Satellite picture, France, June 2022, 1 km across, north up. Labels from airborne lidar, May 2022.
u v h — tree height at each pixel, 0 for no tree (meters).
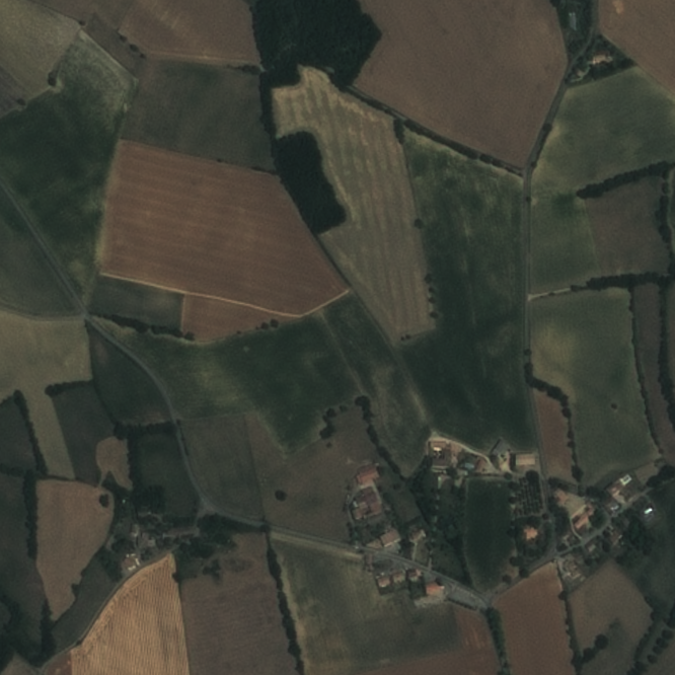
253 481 0
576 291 13
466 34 0
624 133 0
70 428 0
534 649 0
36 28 0
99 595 0
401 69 0
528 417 0
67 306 0
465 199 0
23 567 0
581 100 0
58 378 0
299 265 0
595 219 0
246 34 0
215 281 0
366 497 0
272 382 0
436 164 0
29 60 0
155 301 0
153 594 0
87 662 0
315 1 13
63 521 0
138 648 0
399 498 0
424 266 0
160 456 0
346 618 0
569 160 0
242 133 0
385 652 0
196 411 0
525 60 0
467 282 0
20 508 0
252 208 0
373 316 0
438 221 0
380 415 0
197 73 0
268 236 0
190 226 0
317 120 0
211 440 0
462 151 12
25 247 0
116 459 0
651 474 0
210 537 6
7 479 0
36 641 0
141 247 0
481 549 0
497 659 0
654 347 0
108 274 0
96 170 0
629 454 0
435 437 0
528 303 0
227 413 0
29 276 0
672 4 0
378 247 0
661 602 0
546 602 0
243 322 0
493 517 0
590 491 11
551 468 0
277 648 0
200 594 0
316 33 13
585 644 0
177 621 0
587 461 0
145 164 0
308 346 0
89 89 0
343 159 0
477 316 0
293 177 15
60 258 0
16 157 0
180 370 0
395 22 0
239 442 0
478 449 0
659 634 0
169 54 0
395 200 0
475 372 0
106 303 0
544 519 8
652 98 0
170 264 0
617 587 0
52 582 0
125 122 0
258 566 0
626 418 0
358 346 0
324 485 0
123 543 11
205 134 0
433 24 0
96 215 0
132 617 0
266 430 0
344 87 12
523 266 0
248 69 12
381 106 11
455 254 0
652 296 0
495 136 0
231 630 0
